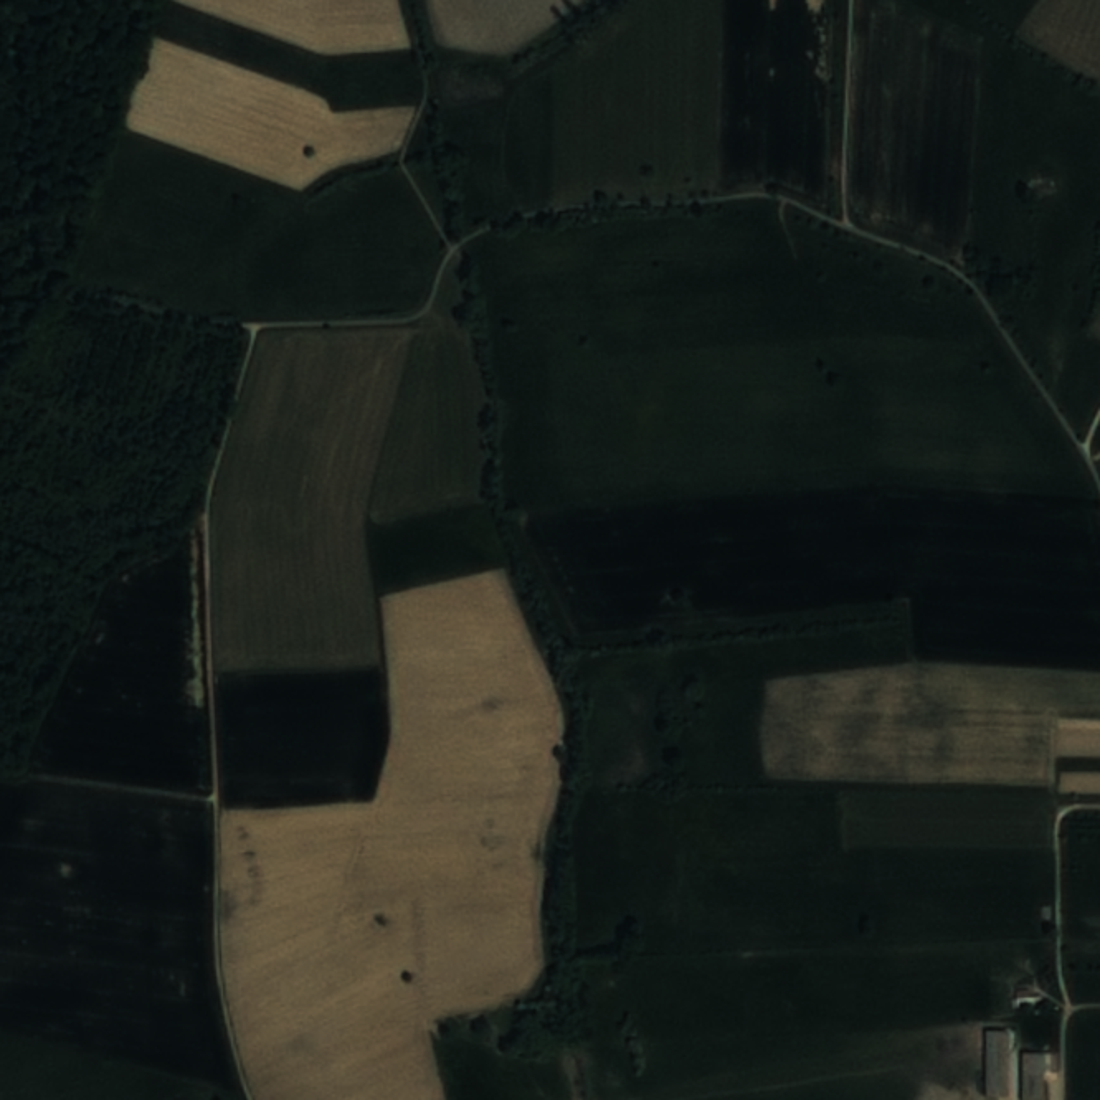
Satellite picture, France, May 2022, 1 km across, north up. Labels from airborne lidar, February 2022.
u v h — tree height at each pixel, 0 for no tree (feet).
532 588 58
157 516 32
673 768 54
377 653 0
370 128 0
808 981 0
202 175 0
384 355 0
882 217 0
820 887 0
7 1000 0
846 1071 0
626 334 0
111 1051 0
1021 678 0
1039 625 0
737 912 0
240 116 0
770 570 0
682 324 0
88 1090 0
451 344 0
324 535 0
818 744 0
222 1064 0
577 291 0
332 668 0
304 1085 0
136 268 0
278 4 0
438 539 0
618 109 0
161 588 0
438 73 0
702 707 25
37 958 0
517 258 0
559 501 0
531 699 0
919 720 0
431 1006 0
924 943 0
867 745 0
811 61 0
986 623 0
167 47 0
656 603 0
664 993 0
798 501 0
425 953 0
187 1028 0
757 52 0
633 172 0
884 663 0
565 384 0
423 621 0
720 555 0
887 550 0
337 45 0
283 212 0
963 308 0
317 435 0
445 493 0
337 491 0
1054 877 0
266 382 0
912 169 0
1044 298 0
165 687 0
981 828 0
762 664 0
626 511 0
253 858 0
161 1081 0
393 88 0
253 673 0
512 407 0
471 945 0
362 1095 0
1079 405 0
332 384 0
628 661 0
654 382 0
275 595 0
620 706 0
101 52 93
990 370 24
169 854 0
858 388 0
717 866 0
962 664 0
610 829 0
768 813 0
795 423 0
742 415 0
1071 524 0
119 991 0
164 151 0
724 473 0
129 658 0
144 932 0
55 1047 0
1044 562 0
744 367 0
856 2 0
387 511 0
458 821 0
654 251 0
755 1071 0
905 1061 0
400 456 0
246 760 0
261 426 0
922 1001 0
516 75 0
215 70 0
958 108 0
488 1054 0
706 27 0
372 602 0
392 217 0
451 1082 0
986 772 0
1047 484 0
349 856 0
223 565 0
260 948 0
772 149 0
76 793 0
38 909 0
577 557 0
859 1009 0
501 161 0
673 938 0
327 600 0
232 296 0
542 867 0
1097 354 0
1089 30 0
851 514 0
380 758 0
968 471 0
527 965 0
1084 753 0
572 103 0
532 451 0
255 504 0
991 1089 0
